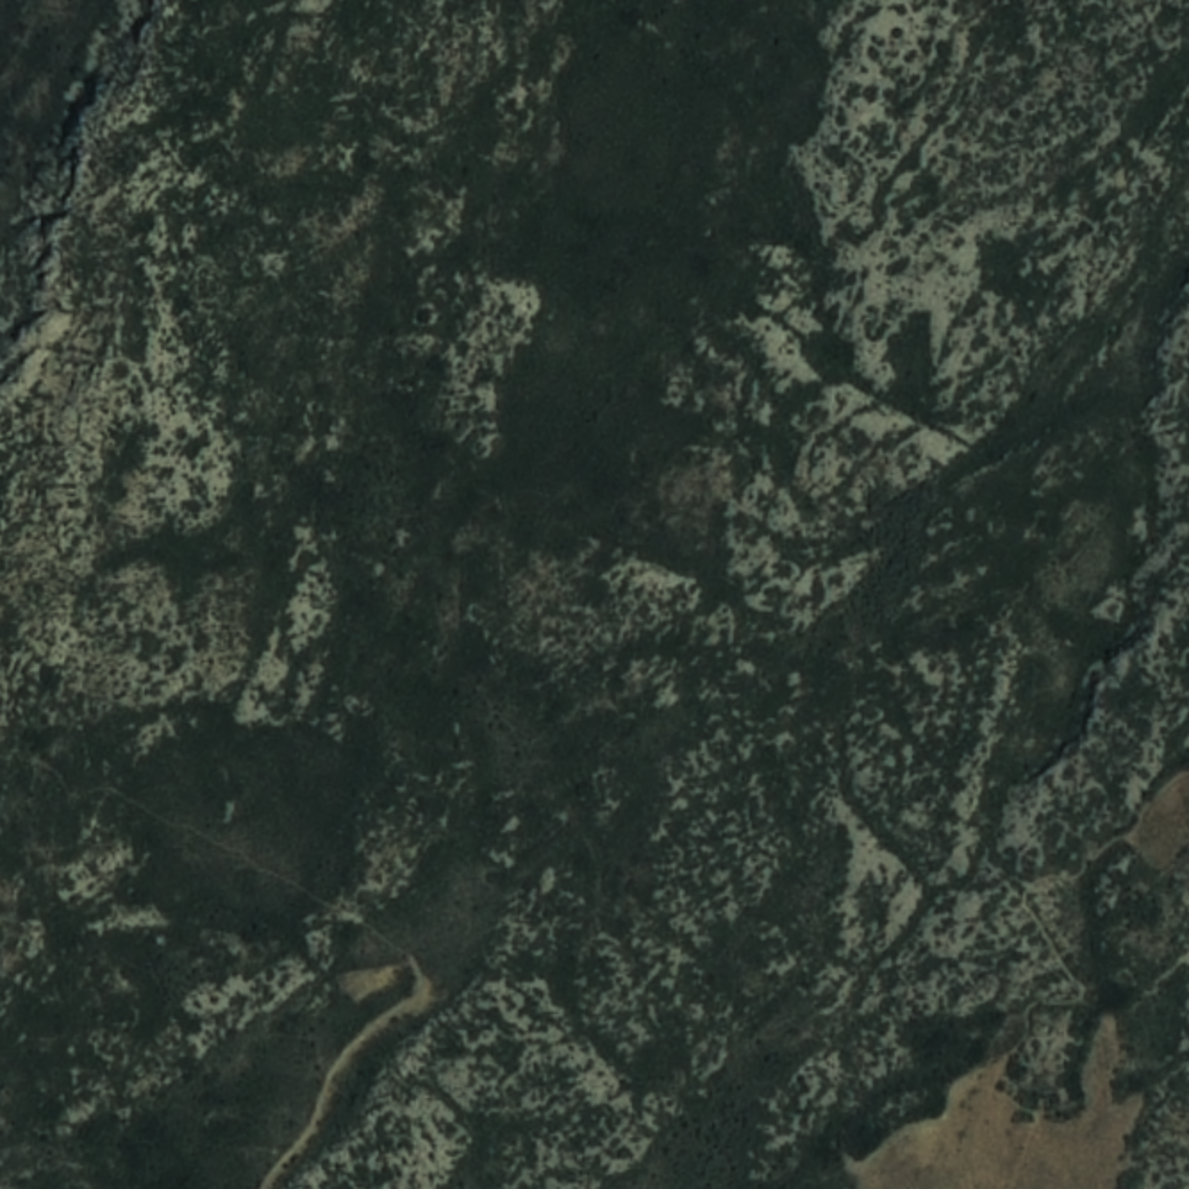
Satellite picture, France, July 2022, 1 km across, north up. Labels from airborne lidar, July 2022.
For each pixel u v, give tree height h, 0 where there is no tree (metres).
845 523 0
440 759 0
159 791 0
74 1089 0
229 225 6
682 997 0
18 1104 0
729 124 0
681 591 0
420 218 0
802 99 0
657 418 0
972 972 0
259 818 0
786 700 0
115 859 0
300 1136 0
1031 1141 0
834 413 0
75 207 0
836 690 0
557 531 0
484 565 0
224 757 0
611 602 0
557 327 0
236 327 6
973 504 0
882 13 0
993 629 0
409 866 0
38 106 0
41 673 6
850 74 0
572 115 0
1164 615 0
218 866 0
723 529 0
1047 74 0
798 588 0
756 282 0
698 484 0
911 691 0
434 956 0
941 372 0
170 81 6
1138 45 0
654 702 0
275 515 0
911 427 0
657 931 0
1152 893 5
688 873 0
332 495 6
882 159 0
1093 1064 0
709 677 0
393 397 7
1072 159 0
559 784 0
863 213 0
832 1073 0
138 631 0
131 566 0
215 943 0
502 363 0
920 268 0
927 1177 0
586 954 0
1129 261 0
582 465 0
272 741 0
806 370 0
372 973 0
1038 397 9
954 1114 0
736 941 0
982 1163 0
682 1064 0
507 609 0
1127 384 0
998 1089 6
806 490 0
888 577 7
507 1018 0
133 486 0
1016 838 0
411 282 0
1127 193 0
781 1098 0
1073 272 0
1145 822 0
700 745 0
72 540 0
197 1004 0
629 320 0
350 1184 0
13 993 0
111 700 0
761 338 0
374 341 0
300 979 0
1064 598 0
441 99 0
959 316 0
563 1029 0
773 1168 8
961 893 0
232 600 0
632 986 0
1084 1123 0
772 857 0
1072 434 0
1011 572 0
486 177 0
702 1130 8
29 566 0
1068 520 0
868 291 0
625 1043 0
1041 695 0
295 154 0
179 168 7
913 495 7
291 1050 0
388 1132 0
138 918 0
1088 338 0
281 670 0
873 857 0
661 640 0
